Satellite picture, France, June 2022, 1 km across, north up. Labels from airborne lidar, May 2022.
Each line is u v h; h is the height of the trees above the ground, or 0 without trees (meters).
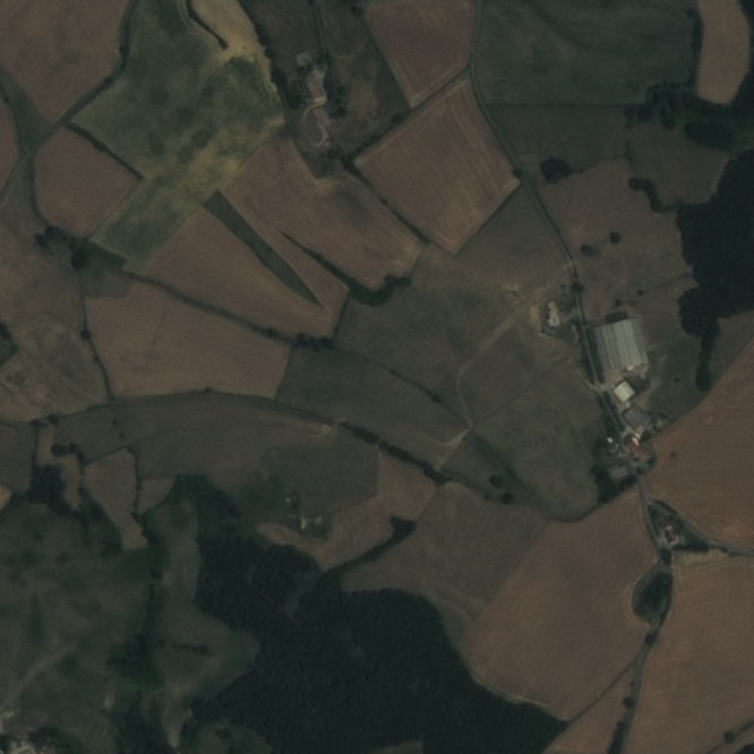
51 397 0
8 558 0
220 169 0
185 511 0
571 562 0
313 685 18
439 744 11
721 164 0
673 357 0
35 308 0
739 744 0
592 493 0
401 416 0
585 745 0
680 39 0
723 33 0
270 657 16
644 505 0
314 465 0
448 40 0
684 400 0
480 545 0
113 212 0
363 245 0
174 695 0
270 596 9
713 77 0
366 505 0
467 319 0
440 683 16
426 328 0
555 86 0
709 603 0
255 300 0
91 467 0
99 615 0
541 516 0
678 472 0
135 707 12
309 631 11
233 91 0
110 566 0
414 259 0
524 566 0
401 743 12
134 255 0
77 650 0
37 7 0
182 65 0
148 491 0
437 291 0
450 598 0
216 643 0
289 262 0
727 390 0
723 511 0
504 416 0
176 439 0
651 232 0
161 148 0
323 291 0
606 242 0
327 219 0
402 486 0
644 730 0
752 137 0
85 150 0
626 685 0
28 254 0
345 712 18
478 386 0
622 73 0
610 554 0
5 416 0
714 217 16
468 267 0
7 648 0
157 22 0
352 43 0
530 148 0
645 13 0
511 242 0
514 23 0
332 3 0
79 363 0
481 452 0
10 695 0
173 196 0
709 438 0
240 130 0
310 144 0
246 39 0
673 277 0
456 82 0
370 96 0
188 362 0
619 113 0
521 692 0
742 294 19
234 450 0
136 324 0
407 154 0
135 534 0
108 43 0
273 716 19
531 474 0
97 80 0
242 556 14
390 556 0
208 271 0
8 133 0
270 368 0
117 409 0
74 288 0
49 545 0
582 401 0
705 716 0
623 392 0
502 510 0
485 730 13
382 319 0
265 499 0
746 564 0
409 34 0
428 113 0
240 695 20
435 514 0
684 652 0
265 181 0
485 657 0
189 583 0
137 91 0
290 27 0
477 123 0
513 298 0
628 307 0
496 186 0
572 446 0
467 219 0
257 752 0
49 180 0
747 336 0
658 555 0
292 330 0
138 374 0
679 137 0
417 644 17
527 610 0
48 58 0
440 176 0
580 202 0
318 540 0
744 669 0
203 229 0
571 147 0
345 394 0
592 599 0
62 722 0
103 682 0
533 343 0
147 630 8
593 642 0
